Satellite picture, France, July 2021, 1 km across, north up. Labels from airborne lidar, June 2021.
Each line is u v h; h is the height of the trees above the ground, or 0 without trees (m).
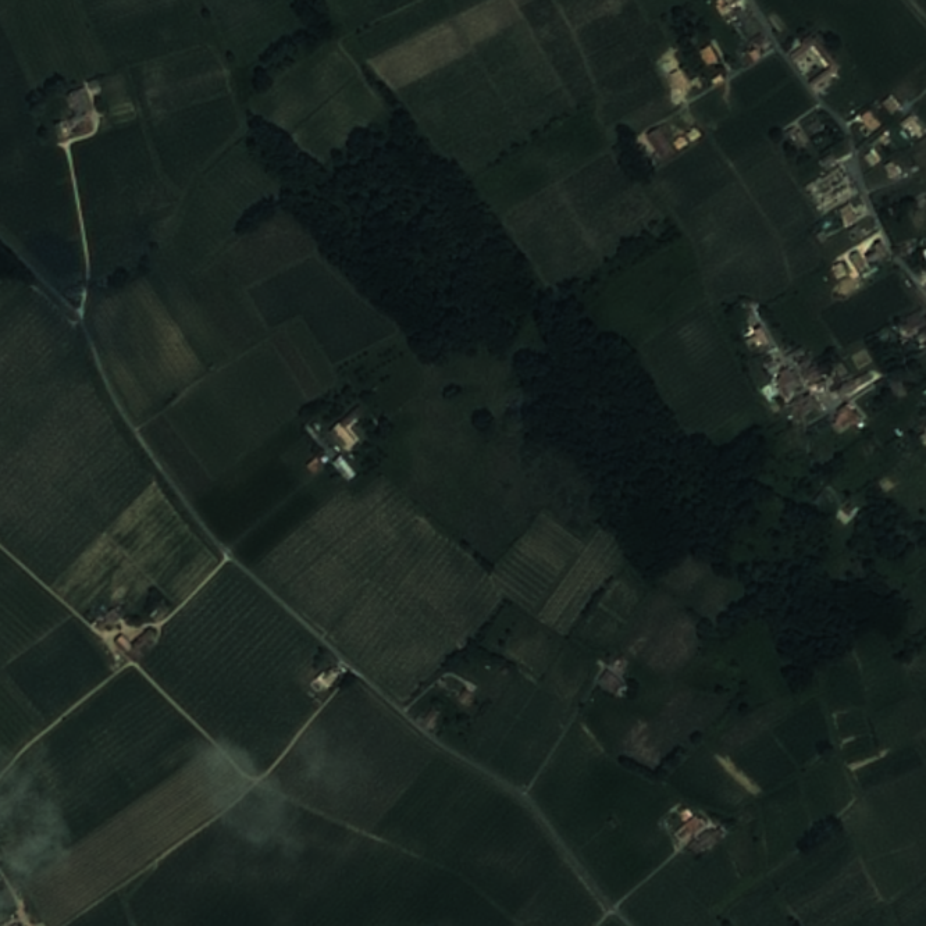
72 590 0
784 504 8
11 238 0
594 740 0
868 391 0
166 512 0
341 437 0
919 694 0
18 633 0
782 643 9
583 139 0
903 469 0
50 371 0
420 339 21
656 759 0
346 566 0
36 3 0
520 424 13
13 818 0
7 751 0
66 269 0
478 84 0
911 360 8
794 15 0
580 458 12
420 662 0
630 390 20
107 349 0
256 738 0
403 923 0
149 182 0
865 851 0
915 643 6
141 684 0
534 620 0
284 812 0
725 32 0
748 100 0
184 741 0
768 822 0
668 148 0
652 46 0
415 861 0
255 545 0
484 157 0
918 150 0
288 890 0
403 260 19
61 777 0
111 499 0
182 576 0
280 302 0
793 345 6
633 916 0
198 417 0
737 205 0
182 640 0
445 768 0
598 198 0
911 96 0
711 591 0
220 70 0
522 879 0
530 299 12
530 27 0
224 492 0
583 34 0
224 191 0
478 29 0
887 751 0
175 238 0
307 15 20
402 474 0
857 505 0
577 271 0
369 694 0
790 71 0
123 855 0
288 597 0
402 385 0
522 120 0
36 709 0
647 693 0
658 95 0
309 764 0
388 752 0
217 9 0
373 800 0
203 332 0
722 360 0
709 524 22
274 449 0
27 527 0
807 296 0
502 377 0
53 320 0
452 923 0
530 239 0
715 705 0
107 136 0
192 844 0
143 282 0
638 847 0
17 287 0
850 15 0
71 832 0
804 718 0
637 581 0
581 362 24
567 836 0
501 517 0
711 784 0
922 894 0
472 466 0
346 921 0
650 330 0
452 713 0
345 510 0
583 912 0
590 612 6
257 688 0
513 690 0
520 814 0
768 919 0
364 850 0
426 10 0
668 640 0
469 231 12
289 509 0
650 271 0
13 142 0
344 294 0
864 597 13
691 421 0
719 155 0
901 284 0
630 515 15
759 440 16
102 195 0
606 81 0
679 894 0
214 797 0
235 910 0
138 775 0
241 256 0
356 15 0
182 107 0
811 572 21
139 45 0
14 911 6
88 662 0
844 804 0
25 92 0
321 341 0
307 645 0
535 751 0
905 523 7
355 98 0
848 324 0
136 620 11
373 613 0
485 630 7
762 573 15
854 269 6
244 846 0
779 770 0
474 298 17
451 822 0
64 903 0
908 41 0
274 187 0
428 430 0
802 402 0
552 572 0
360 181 21
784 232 0
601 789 0
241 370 0
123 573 0
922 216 0
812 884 0
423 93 0
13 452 0
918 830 0
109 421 0
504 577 0
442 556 0
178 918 0
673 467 10
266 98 0
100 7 0
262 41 0
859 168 0
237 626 0
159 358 0
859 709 0
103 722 0
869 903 0
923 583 0
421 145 14
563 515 0
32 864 0
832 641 17
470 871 0
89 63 0
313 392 0
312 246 0
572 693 0
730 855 0
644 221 0
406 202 10
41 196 0
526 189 0
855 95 0
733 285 0
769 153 0
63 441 0
